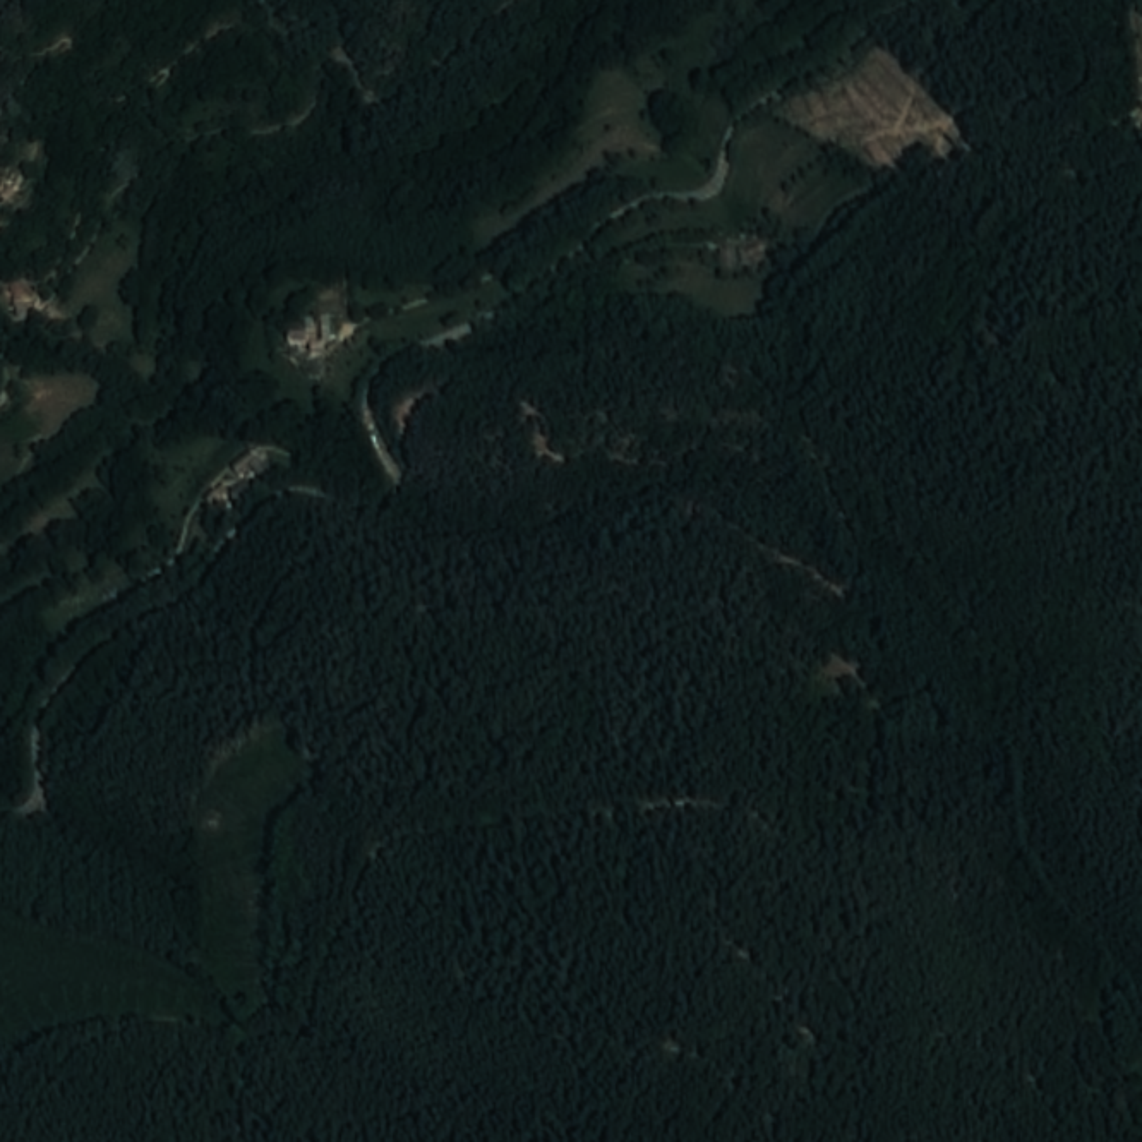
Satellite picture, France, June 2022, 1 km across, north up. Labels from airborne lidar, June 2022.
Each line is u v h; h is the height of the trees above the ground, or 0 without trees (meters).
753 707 27
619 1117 28
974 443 28
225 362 20
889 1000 27
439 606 31
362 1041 20
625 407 17
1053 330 29
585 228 20
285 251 17
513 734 20
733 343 27
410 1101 31
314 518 24
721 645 14
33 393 0
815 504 33
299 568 22
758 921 26
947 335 12
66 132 21
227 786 0
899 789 26
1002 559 24
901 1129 19
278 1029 29
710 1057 25
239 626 27
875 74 0
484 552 30
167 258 21
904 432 14
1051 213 25
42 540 17
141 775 21
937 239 27
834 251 32
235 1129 30
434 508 27
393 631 22
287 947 8
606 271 14
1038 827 29
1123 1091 30
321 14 36
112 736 25
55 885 31
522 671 23
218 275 18
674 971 26
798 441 12
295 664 20
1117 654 16
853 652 30
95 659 17
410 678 14
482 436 17
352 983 20
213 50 14
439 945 22
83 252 13
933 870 23
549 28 25
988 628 24
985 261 14
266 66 12
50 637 12
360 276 14
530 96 11
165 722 24
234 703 26
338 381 0
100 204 21
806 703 20
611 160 13
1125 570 27
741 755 28
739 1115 27
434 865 22
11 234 12
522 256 28
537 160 32
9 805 14
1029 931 36
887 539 17
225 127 10
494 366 24
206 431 13
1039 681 20
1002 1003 24
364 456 18
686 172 0
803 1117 32
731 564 28
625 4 27
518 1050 22
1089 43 17
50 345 19
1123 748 15
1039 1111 17
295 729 28
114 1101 24
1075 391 29
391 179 19
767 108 13
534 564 32
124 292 17
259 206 24
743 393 13
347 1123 26
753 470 22
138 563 21
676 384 23
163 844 21
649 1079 24
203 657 25
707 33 0
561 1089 26
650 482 20
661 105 24
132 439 12
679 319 20
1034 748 27
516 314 17
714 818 26
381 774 30
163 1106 27
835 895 32
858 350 28
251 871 0
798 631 20
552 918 12
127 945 23
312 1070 25
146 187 20
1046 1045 33
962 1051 22
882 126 0
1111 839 20
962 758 28
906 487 21
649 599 27
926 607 22
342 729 31
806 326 31
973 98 27
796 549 28
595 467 25
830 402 23
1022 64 30
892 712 22
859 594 35
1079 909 24
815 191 0
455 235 21
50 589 17
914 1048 21
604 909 14
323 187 27
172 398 13
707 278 0
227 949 0
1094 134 17
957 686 31
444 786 28
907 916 23
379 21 9
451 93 38
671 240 12
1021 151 25
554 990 20
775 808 20
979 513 23
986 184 21
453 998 19
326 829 24
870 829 22
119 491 20
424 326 0
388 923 26
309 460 24
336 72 27
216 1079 23
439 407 24
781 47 19
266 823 0
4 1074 27
